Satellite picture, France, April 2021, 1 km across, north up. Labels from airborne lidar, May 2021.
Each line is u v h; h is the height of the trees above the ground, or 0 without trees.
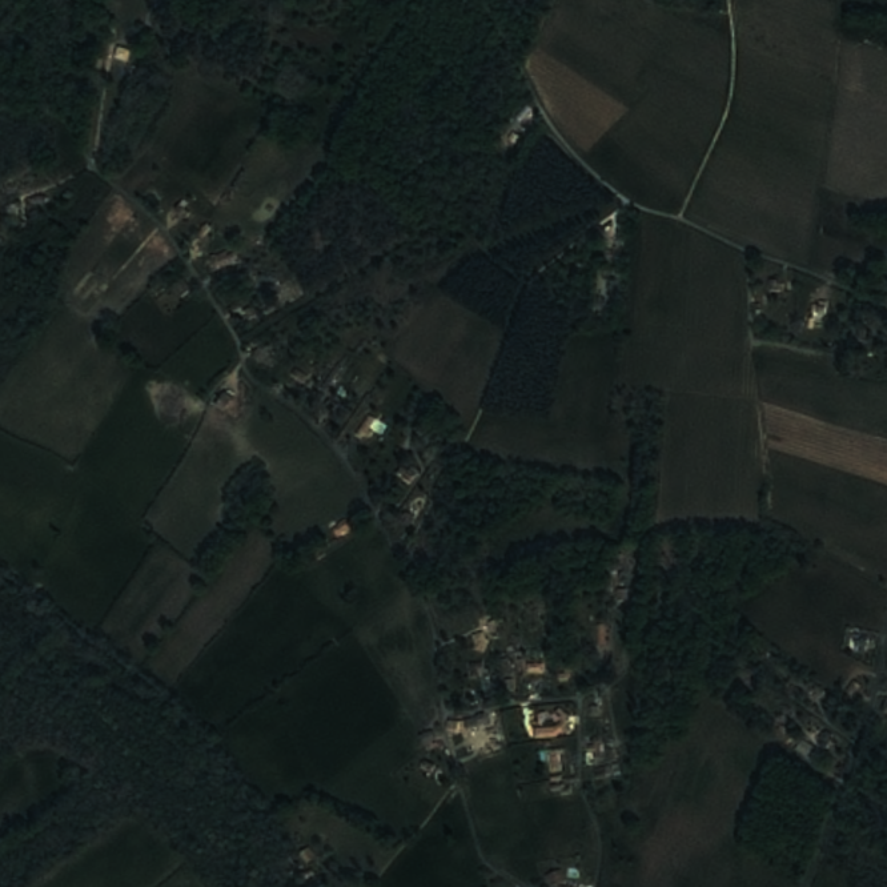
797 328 12
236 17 12
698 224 0
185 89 0
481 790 0
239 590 0
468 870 0
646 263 0
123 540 0
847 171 0
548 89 0
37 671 18
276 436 0
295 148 15
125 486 0
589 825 0
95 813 23
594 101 0
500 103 24
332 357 5
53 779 0
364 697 0
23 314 12
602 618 9
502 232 17
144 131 15
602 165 0
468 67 18
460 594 17
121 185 0
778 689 19
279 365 0
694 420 0
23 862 16
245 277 14
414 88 22
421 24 14
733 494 0
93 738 25
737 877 0
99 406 0
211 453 0
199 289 16
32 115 19
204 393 9
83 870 0
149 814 19
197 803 19
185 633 0
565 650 20
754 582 26
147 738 21
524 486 17
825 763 19
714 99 0
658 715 22
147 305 0
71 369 0
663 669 26
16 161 23
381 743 0
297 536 0
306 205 14
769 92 0
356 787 0
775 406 0
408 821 0
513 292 15
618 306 21
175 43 10
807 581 0
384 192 16
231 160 0
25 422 0
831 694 9
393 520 13
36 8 17
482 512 20
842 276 20
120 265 0
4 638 19
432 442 15
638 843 0
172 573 0
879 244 0
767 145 0
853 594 0
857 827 21
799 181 0
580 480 16
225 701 0
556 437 0
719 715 0
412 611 0
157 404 0
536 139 21
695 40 0
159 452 0
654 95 0
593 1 0
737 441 0
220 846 18
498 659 14
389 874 0
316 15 9
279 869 13
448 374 0
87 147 18
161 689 19
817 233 0
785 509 0
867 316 20
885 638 0
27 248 9
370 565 0
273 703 0
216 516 0
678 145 0
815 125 0
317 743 0
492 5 15
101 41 19
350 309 7
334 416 16
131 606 0
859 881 9
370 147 20
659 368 0
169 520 0
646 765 17
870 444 0
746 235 0
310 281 17
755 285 8
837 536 0
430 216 14
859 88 0
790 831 25
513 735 7
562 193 18
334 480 0
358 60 10
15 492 0
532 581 25
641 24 0
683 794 0
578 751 0
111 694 17
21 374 0
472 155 18
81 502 0
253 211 0
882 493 0
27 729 24
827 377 0
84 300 0
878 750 8
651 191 0
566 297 13
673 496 0
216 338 0
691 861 0
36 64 20
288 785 0
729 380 0
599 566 21
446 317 0
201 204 0
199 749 18
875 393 0
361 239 17
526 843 0
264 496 21
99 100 22
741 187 0
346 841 0
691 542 24
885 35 0
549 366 14
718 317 0
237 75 7
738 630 26
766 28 0
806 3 0
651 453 12
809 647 0
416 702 0
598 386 0
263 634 0
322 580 0
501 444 0
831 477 0
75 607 0
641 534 17
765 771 18
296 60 10
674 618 23
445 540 16
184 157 0
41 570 13
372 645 0
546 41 0
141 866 0
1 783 0
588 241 18
